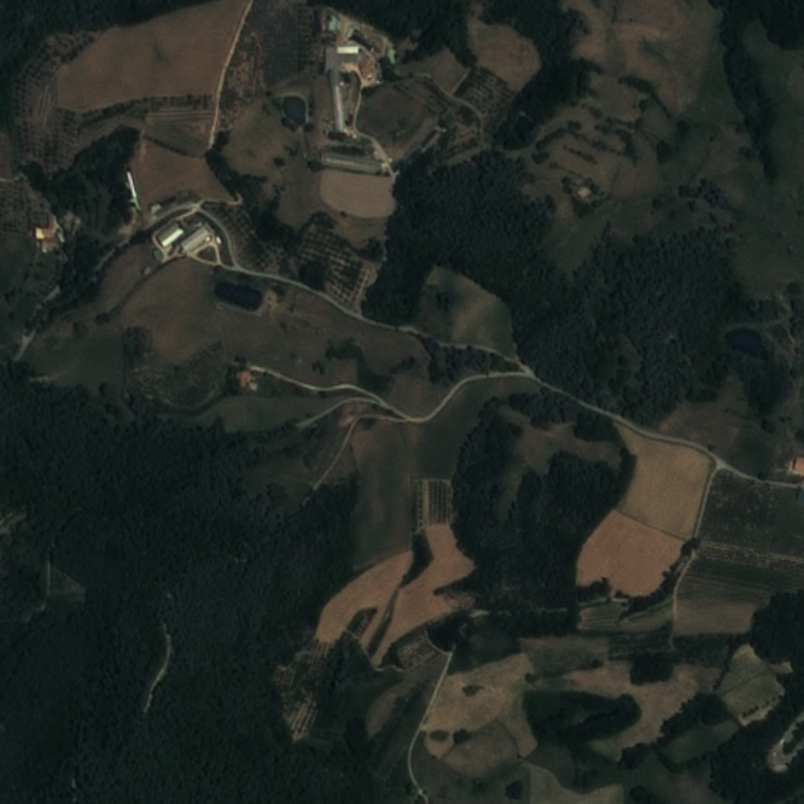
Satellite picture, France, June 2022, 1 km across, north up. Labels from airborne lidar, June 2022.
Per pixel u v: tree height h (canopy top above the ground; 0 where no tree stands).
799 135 0
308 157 0
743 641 12
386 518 0
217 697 13
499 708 0
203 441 18
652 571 0
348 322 0
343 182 0
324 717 7
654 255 17
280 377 0
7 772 7
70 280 13
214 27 0
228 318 0
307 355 0
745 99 33
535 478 10
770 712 8
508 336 0
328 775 12
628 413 11
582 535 11
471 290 0
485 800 0
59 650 15
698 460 0
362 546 0
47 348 0
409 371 0
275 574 8
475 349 9
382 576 0
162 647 10
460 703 0
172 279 0
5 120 6
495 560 14
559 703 0
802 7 18
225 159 11
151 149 0
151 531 18
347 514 14
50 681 16
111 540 18
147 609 13
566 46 9
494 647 0
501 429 16
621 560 0
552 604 9
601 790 0
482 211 19
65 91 0
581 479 12
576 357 13
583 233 0
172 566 18
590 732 11
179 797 24
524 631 14
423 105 0
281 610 13
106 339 0
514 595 7
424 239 15
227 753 21
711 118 0
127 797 14
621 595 12
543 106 20
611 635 5
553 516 12
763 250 0
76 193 7
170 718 16
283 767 19
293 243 15
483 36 0
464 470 11
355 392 0
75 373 0
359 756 15
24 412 19
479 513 14
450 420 0
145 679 7
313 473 0
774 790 15
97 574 16
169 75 0
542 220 14
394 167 0
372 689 0
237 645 15
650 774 0
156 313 0
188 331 0
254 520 17
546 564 8
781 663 7
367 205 0
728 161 0
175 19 0
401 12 13
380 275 9
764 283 0
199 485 21
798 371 8
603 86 0
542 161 10
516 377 0
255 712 12
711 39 0
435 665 0
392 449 0
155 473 18
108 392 17
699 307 19
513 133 8
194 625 15
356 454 0
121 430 16
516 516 14
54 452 21
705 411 0
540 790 0
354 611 0
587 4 0
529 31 13
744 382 8
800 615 11
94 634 15
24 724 11
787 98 0
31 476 18
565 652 0
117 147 9
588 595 13
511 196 19
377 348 0
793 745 13
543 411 14
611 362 0
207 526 22
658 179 0
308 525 17
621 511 0
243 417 0
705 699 16
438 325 0
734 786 11
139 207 0
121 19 15
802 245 0
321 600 16
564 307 17
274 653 13
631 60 0
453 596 0
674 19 0
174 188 0
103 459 18
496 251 21
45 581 8
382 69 6
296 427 9
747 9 27
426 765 0
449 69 0
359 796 10
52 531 12
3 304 0
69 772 9
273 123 0
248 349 0
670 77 0
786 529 0
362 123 0
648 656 10
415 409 0
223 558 16
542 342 12
